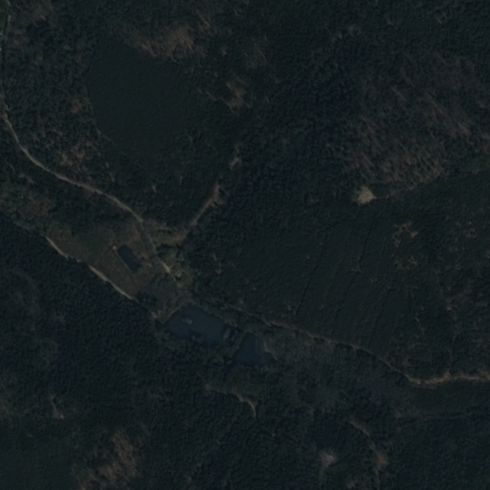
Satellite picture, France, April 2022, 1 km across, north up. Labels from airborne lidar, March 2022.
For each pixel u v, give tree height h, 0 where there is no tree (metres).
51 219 9
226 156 19
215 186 18
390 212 9
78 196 17
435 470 7
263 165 10
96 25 10
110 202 12
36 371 29
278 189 24
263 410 25
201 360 47
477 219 6
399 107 21
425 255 14
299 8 17
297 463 9
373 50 24
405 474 15
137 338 26
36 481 16
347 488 13
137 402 30
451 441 15
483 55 20
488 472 15
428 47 23
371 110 21
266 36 22
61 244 0
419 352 8
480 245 12
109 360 24
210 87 12
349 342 16
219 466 27
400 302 18
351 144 15
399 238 8
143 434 24
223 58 19
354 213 13
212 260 11
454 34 19
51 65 23
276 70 18
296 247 8
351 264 7
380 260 14
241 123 20
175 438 21
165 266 0
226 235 26
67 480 20
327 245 11
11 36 15
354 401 34
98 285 30
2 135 31
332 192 16
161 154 17
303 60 23
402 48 28
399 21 19
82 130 10
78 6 14
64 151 12
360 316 14
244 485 25
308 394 10
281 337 25
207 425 26
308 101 24
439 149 18
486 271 12
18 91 26
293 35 20
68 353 27
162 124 17
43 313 23
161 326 24
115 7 16
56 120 7
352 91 33
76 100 21
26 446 15
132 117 16
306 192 22
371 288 14
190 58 16
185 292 19
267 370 14
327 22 23
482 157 14
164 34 17
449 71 23
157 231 20
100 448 16
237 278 10
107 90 15
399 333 9
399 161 18
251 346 0
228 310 25
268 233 13
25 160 17
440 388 10
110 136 12
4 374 25
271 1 18
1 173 22
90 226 16
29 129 18
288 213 17
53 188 21
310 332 18
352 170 18
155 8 21
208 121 21
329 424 20
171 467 20
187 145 12
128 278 0
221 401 26
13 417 13
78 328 23
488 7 19
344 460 16
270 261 15
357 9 22
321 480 16
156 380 29
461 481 13
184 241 0
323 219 9
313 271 8
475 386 15
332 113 27
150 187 12
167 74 17
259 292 9
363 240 9
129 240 16
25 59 14
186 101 13
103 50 15
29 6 9
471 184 11
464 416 16
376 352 19
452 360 18
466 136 17
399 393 27
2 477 13
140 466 23
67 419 16
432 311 11
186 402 25
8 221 29
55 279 25
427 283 12
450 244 10
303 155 7
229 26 19
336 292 13
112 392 26
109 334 28
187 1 18
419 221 13
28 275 29
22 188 17
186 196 13
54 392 18
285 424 13
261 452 25
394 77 25
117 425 30
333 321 12
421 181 14
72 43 22
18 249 29
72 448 15
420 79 23
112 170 13
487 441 10
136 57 17
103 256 0
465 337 10
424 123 22
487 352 9
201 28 16
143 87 16
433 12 19
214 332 0
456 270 11
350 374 18
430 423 16
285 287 11
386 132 25
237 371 36
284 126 27
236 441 28
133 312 30
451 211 10
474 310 12
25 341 29
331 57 28
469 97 29
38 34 26
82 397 25
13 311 25
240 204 25
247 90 22
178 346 26
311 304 18
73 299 27
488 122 23
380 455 17
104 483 22
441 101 17
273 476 25
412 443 15
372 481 10
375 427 30
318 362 18
